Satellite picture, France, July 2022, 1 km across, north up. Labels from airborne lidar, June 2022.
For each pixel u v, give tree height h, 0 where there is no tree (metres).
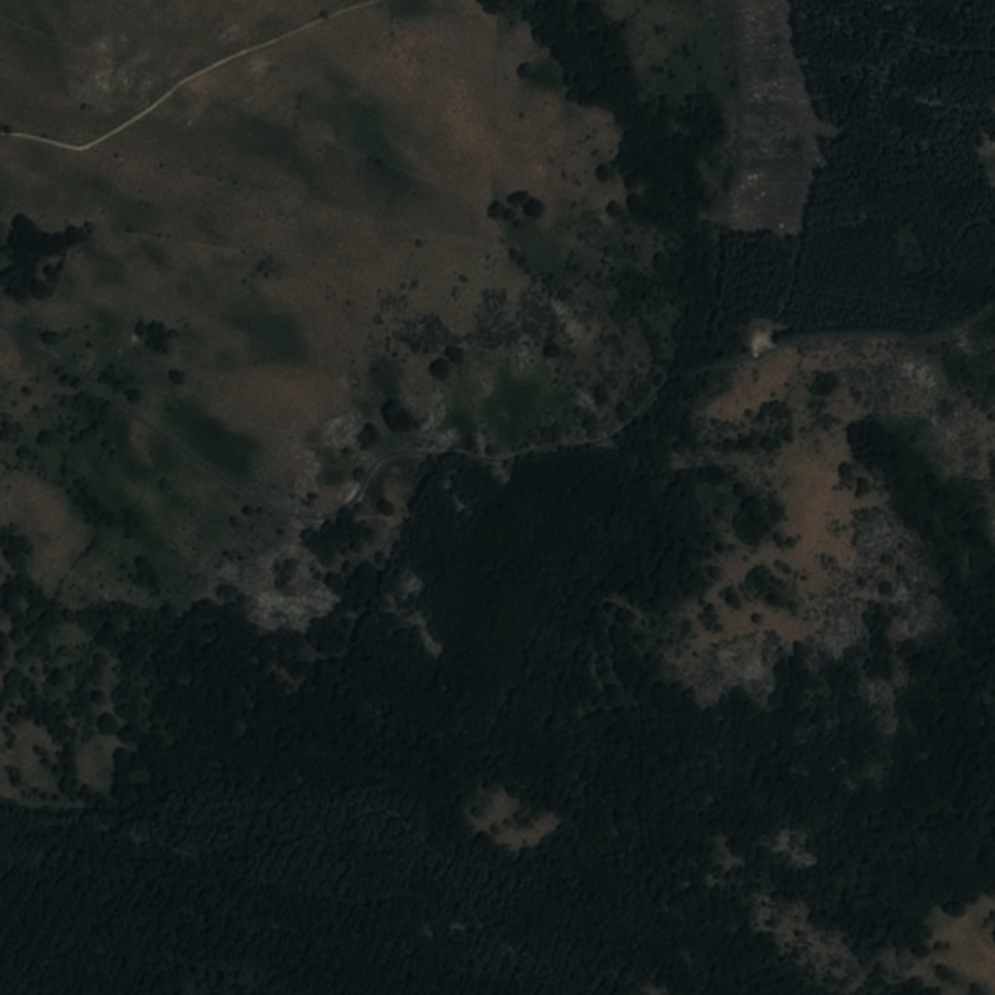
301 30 0
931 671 10
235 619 18
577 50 18
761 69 0
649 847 15
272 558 0
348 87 0
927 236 15
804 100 0
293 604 0
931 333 15
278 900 19
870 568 0
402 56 0
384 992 18
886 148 15
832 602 0
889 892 19
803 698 10
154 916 15
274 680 17
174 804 23
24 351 0
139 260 0
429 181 0
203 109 0
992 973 0
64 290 0
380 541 0
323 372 0
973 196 22
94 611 11
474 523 12
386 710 13
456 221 0
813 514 0
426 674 13
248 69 0
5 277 14
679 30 0
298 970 18
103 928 14
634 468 10
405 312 0
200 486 0
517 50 0
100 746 0
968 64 18
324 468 0
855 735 11
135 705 13
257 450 0
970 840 20
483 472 15
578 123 0
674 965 7
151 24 0
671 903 16
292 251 0
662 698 15
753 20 0
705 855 10
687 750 13
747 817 15
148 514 0
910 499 7
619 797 14
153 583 12
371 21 0
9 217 0
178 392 0
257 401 0
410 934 13
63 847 13
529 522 14
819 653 7
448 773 16
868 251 14
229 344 0
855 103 19
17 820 21
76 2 0
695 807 11
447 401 0
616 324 0
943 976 9
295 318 0
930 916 12
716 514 9
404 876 19
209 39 0
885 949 17
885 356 0
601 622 12
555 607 15
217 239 0
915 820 18
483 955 23
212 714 14
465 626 10
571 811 10
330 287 0
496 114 0
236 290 0
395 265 0
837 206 19
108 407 7
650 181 17
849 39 21
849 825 15
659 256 10
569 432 6
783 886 14
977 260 16
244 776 10
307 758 18
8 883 22
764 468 0
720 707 11
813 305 16
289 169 0
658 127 17
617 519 16
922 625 0
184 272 0
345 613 16
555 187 0
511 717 19
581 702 16
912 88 17
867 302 12
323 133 0
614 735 16
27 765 0
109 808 10
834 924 16
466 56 0
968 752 17
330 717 12
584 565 17
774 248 14
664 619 6
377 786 28
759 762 12
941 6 20
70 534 0
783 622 0
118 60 0
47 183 0
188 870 21
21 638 16
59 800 13
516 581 15
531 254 0
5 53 0
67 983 19
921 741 12
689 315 12
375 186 0
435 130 0
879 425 13
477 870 17
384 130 0
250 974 11
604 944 22
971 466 0
